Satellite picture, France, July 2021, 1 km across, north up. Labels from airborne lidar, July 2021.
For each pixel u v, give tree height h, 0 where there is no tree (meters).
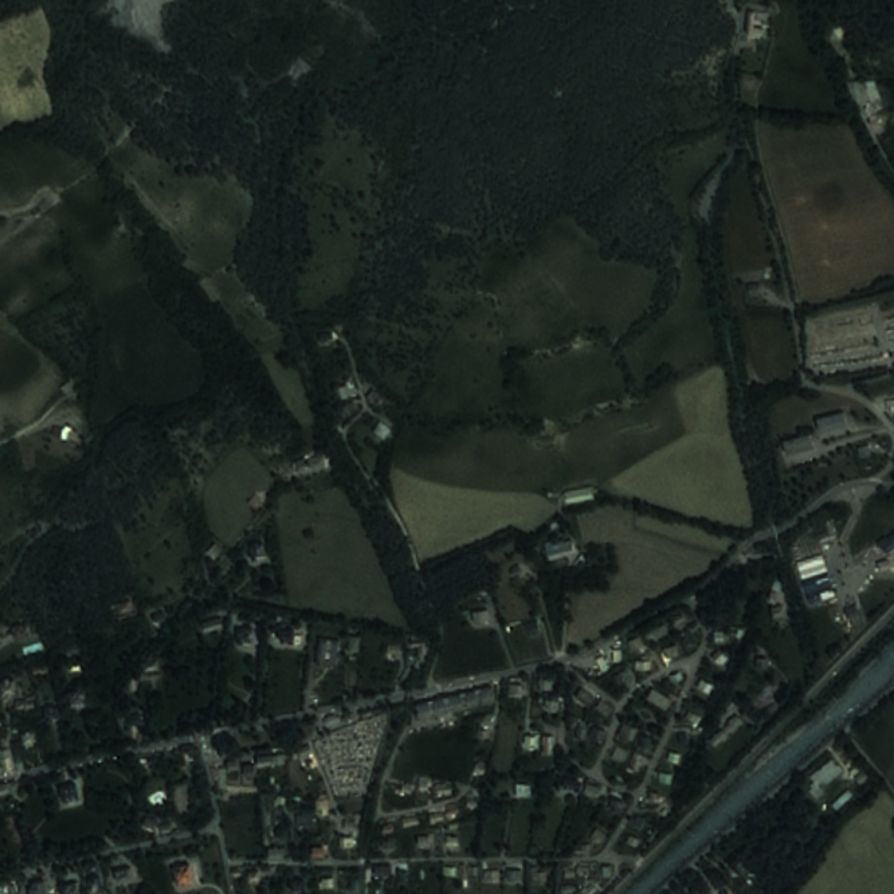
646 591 0
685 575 0
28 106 0
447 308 0
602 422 0
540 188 8
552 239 0
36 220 0
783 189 0
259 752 10
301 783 0
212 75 20
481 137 7
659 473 0
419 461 0
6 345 0
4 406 0
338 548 0
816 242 0
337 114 6
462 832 0
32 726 6
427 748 0
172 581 0
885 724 0
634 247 10
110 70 11
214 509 0
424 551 0
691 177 0
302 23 7
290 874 11
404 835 0
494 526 0
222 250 0
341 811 12
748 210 0
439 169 6
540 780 16
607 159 8
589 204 12
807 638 15
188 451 9
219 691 11
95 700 18
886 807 0
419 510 0
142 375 0
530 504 0
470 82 8
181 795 0
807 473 11
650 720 0
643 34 7
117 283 0
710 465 0
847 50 10
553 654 0
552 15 7
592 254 0
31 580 19
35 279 0
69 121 8
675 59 9
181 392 0
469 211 8
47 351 9
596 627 0
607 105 9
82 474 8
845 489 0
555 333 0
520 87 8
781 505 7
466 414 0
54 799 12
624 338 8
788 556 7
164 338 0
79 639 13
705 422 0
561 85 7
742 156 14
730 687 17
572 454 0
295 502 0
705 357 0
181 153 14
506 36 9
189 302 17
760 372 0
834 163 0
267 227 15
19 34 0
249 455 0
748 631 7
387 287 5
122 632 7
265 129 18
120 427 19
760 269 0
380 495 9
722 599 30
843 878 0
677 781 12
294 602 0
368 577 0
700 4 8
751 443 11
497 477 0
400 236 7
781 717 11
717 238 6
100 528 19
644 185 8
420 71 12
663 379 7
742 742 0
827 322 0
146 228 9
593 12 11
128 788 6
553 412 0
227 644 15
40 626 23
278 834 11
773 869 16
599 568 5
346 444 8
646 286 0
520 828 0
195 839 7
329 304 8
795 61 0
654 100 7
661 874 0
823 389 0
